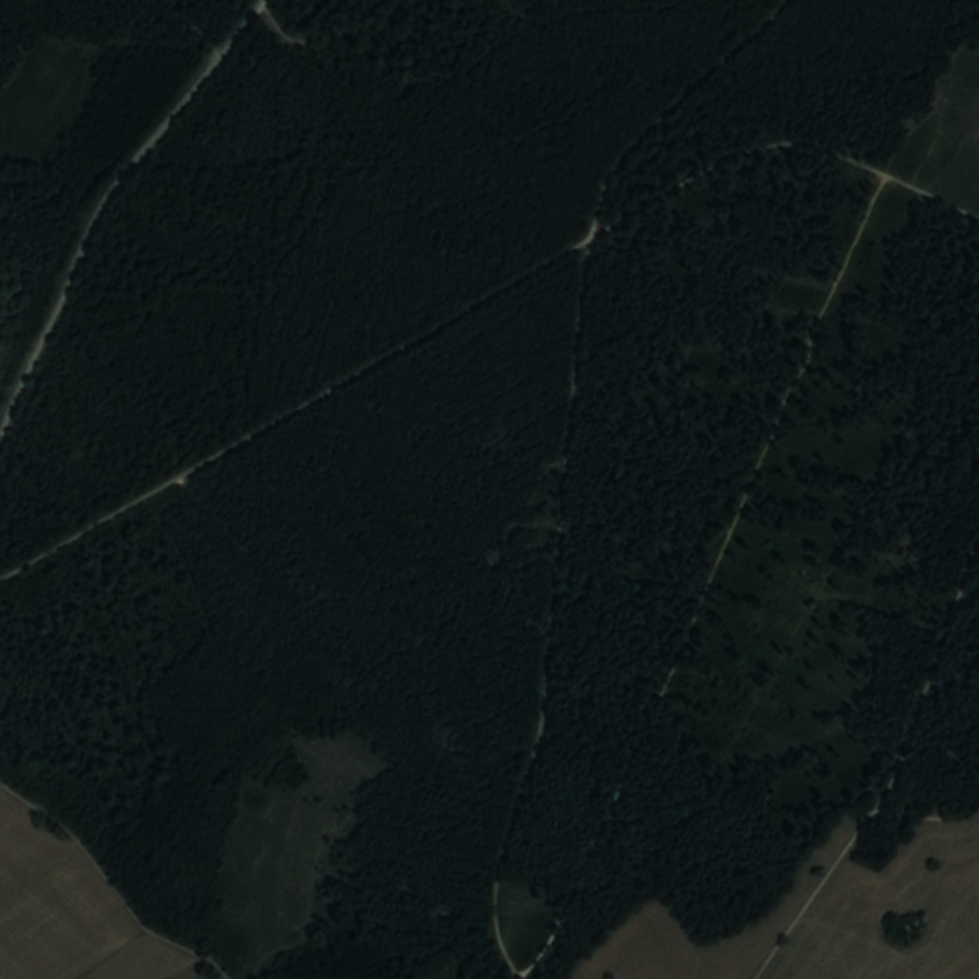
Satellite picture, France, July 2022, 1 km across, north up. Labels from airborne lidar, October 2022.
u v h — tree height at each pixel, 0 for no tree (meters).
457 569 15
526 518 17
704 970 0
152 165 17
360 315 13
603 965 0
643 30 13
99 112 15
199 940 10
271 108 8
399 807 17
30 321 14
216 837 11
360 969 10
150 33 23
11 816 0
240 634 11
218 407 15
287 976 10
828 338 30
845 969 0
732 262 27
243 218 13
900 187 0
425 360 16
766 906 19
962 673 23
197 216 13
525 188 13
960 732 25
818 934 0
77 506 6
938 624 13
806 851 15
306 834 0
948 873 0
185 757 15
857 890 0
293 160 16
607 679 27
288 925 0
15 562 16
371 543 17
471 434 16
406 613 16
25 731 6
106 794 15
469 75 17
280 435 15
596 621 14
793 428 27
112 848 7
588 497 23
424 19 10
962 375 25
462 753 15
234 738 13
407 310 15
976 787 25
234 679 13
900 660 25
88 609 6
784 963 0
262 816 0
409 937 22
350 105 10
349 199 8
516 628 14
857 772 0
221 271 16
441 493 15
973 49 22
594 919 21
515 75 13
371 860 18
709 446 24
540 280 15
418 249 15
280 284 13
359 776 0
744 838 26
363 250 11
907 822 15
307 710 15
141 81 13
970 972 0
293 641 13
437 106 10
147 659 18
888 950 0
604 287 17
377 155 10
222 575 10
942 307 28
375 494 15
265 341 12
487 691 15
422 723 16
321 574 17
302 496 16
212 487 11
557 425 18
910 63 19
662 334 23
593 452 23
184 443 14
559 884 17
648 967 0
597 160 12
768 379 26
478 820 22
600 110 16
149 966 0
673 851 24
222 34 20
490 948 21
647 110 16
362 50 28
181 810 15
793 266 28
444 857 22
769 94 24
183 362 12
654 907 0
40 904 0
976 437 25
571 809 19
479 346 17
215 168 7
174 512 11
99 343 7
